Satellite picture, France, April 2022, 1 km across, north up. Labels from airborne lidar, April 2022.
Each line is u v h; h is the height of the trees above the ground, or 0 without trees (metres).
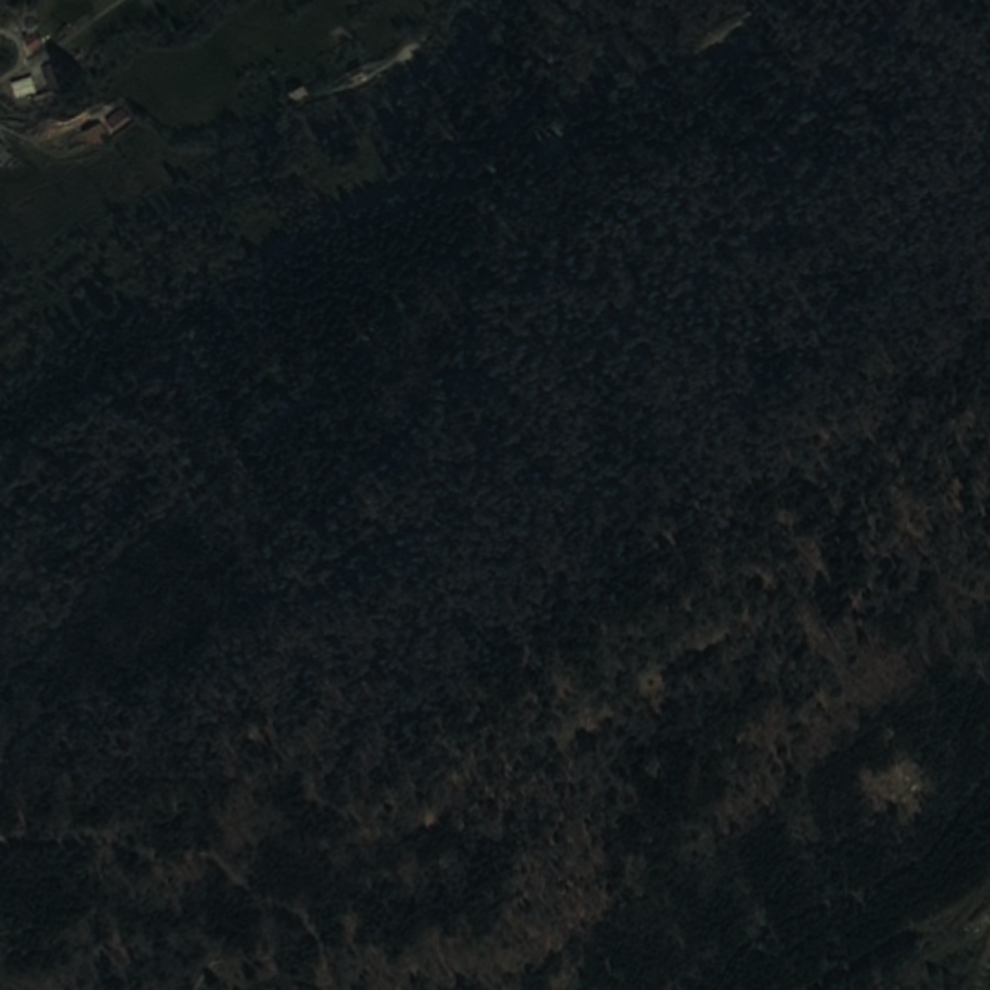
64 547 12
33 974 18
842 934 23
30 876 24
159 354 19
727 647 14
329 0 0
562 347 33
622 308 14
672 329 9
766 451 25
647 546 20
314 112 8
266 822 23
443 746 18
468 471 31
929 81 37
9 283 20
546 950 18
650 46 13
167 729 21
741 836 24
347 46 11
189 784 20
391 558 36
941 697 25
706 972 24
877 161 32
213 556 14
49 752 17
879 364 27
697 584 14
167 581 17
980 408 29
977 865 30
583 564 25
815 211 35
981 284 23
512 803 32
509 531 30
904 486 25
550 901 23
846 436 24
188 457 35
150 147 0
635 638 19
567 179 29
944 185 30
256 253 25
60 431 39
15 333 7
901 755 23
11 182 0
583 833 40
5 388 10
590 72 12
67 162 0
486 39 21
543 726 26
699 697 27
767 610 35
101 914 18
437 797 15
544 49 14
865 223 33
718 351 30
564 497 29
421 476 38
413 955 25
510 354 35
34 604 24
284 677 32
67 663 16
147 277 6
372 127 13
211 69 0
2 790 16
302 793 13
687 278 32
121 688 14
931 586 22
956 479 31
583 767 35
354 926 0
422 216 31
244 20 0
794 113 15
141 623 14
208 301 18
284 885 23
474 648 25
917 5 25
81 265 8
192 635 15
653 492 28
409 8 0
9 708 17
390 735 23
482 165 24
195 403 26
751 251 30
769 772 10
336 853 17
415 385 22
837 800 23
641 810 18
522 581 25
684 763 27
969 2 31
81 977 18
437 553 30
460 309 23
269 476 29
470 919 14
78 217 0
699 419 27
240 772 18
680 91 23
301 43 0
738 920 28
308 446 23
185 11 0
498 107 13
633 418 28
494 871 20
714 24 8
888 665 27
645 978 24
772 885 23
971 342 17
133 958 15
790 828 23
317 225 20
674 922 22
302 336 29
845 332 28
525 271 25
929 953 14
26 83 0
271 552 31
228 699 36
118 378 18
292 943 26
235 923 18
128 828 15
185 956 20
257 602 18
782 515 21
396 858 21
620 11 16
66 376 16
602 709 33
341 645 32
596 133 21
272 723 27
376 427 31
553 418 28
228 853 22
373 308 23
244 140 17
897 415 24
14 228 0
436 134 30
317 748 29
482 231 34
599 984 25
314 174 0
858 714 29
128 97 0
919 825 20
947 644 18
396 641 31
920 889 28
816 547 35
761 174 29
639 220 34
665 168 28
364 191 0
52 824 15
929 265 25
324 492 28
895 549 9
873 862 24
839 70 7
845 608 28
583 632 18
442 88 27
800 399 34
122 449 41
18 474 31
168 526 14
